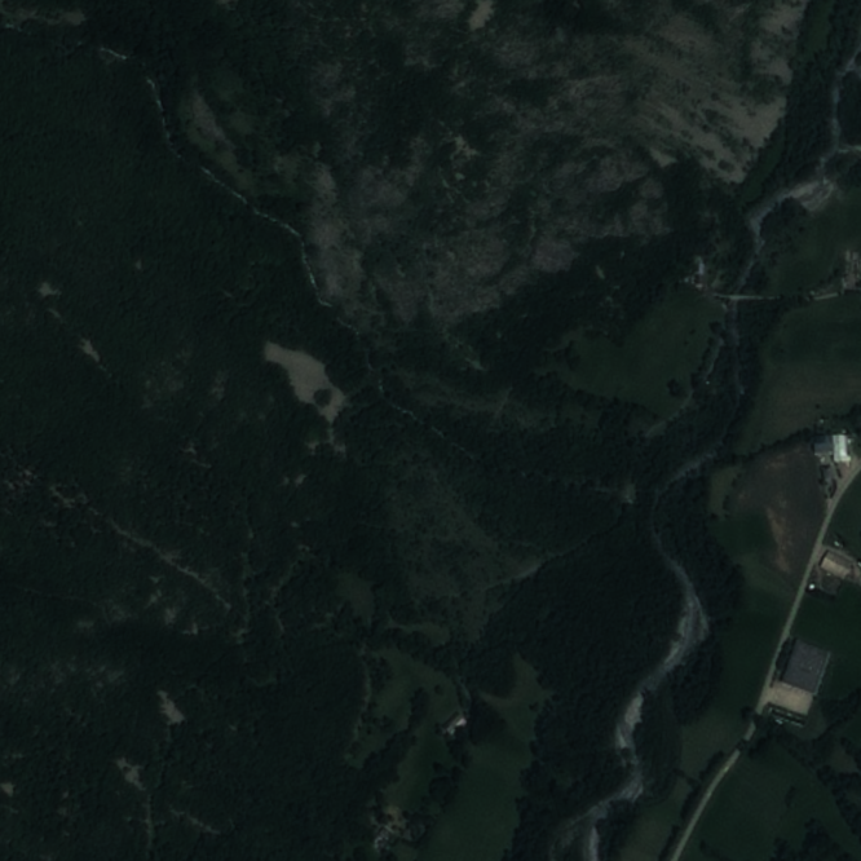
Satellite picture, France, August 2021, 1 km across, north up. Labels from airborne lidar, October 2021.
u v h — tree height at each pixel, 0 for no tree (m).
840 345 0
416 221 7
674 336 0
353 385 10
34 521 19
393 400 19
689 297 0
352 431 7
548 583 12
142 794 14
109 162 12
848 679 0
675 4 7
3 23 8
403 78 9
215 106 17
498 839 0
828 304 0
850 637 0
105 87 17
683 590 18
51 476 18
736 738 0
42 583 13
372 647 19
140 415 8
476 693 14
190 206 9
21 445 12
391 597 12
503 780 0
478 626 0
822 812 0
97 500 14
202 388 9
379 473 10
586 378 0
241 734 14
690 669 6
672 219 13
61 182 14
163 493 14
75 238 14
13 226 12
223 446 10
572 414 0
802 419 0
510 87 10
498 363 10
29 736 15
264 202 12
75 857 17
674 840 9
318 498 23
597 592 11
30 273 12
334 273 0
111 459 10
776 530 0
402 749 11
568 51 6
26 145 17
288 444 18
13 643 18
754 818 0
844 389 0
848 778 9
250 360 16
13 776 14
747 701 0
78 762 13
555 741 28
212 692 16
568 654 19
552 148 9
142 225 15
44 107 16
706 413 10
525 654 11
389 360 8
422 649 12
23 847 11
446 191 9
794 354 0
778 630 0
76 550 9
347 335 8
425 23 7
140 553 12
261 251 20
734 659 0
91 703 13
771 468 0
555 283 11
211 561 9
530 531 8
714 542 16
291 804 12
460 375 11
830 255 0
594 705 15
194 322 14
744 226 6
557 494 14
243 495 14
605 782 16
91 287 8
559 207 8
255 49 18
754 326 7
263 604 17
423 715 15
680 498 7
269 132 6
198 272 23
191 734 12
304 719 18
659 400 0
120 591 10
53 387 10
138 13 21
